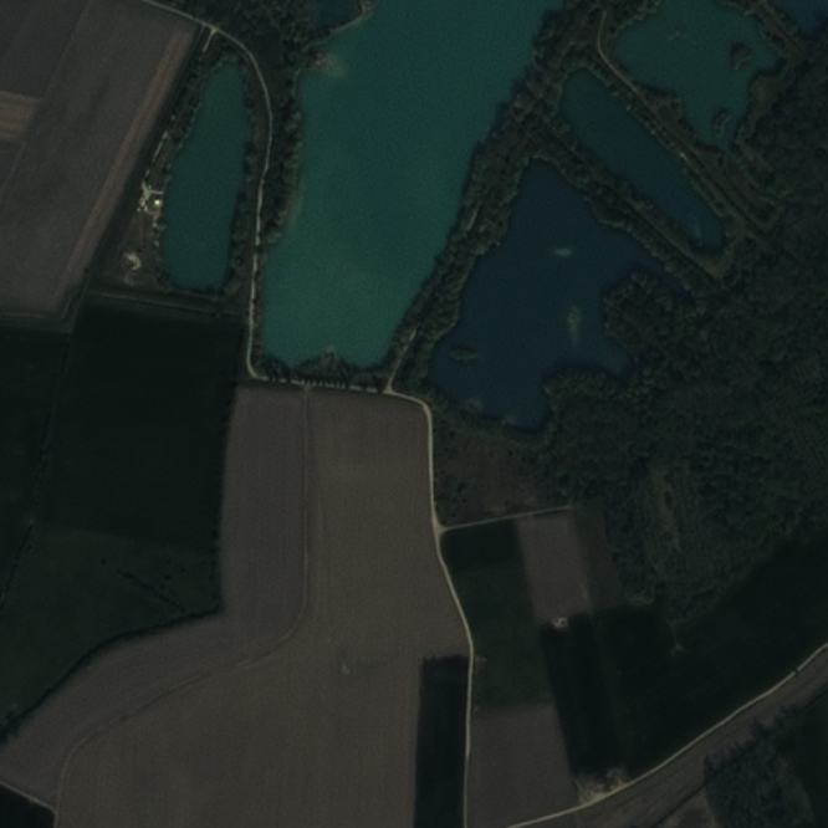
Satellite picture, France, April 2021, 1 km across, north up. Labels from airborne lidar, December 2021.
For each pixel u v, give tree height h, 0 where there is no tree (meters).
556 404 17
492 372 0
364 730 0
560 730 0
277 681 0
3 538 0
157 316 0
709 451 21
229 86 0
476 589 0
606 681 0
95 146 0
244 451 0
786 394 0
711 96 0
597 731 0
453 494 0
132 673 0
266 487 0
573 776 0
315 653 0
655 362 17
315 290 0
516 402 0
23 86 0
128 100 0
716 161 0
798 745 0
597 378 20
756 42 0
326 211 0
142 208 0
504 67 0
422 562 0
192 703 0
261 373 11
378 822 0
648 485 0
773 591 0
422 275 0
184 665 0
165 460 0
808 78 23
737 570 22
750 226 8
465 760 0
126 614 0
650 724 0
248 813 0
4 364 0
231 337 0
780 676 0
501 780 0
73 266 0
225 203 0
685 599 19
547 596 0
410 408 0
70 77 0
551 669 0
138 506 0
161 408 0
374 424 0
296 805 0
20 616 0
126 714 0
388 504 0
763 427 27
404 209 0
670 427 29
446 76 0
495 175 18
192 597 0
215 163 0
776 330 27
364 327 0
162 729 0
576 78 0
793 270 21
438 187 0
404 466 0
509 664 0
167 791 0
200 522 0
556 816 0
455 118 0
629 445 19
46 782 0
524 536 0
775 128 23
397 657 0
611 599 0
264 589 0
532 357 0
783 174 19
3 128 0
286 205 11
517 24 0
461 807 0
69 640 0
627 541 23
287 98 0
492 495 0
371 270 0
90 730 0
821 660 0
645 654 0
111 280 0
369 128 0
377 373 10
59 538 0
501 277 0
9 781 0
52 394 0
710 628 0
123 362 0
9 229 0
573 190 0
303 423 0
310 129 0
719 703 0
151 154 0
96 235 0
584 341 0
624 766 0
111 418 0
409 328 11
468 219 13
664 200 0
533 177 0
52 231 0
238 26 18
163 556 0
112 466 0
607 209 11
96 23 0
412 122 0
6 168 0
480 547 0
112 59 0
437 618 0
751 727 0
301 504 0
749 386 22
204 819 0
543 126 11
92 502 0
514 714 0
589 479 7
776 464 25
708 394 30
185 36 0
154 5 0
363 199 0
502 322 0
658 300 21
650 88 7
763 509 31
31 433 0
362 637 0
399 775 0
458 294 17
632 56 0
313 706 0
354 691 0
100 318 0
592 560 0
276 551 0
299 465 0
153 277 0
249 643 0
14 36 0
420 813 0
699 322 17
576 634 0
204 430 0
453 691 0
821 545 0
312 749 0
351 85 0
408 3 0
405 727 0
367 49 0
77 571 0
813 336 30
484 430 12
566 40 22
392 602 0
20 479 0
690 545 0
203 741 0
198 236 0
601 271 0
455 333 0
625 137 0
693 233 0
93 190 0
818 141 22
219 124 0
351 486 0
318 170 0
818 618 0
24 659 0
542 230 0
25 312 0
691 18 0
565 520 0
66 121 0
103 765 0
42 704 6
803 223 20
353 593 0
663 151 0
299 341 0
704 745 0
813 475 0
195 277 0
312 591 0
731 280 14
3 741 24
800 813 0
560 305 0
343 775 0
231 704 0
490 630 0
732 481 17
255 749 0
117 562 0
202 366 0
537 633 0
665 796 0
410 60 0
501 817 0
